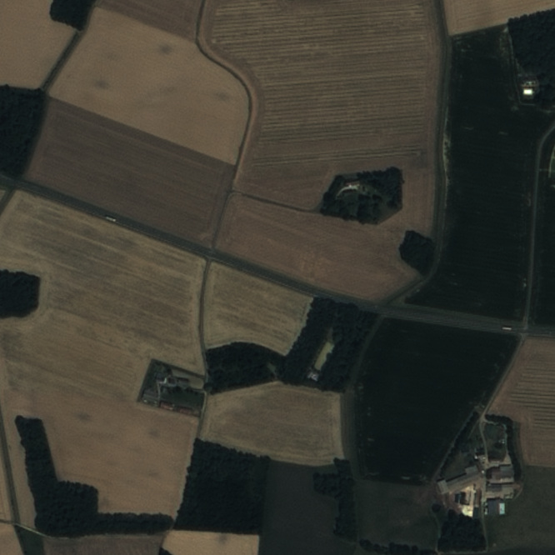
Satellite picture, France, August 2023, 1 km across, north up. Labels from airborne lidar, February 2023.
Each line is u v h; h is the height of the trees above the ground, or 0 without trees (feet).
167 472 0
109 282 0
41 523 37
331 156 0
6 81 0
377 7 0
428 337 0
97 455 0
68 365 0
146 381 0
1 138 54
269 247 0
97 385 0
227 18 0
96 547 0
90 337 0
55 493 42
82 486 20
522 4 0
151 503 0
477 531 31
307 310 0
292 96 0
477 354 0
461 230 0
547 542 0
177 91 0
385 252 0
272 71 0
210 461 36
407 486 0
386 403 0
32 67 0
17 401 0
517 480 28
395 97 0
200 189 0
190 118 0
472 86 0
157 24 0
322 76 0
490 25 0
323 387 40
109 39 0
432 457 0
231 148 0
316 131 0
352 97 0
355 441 0
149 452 0
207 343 0
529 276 0
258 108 0
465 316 0
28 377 0
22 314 50
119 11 0
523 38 63
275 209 0
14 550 0
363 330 63
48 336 0
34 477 41
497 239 0
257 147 0
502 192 0
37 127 35
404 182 43
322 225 0
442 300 0
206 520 29
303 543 0
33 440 53
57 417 0
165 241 0
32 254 0
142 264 0
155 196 0
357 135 0
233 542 0
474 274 0
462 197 0
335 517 0
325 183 0
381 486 0
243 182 0
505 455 0
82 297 0
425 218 0
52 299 0
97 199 0
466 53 0
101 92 0
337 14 0
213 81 0
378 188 43
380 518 0
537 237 0
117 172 0
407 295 0
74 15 39
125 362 0
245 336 0
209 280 0
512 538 0
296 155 0
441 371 0
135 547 0
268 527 0
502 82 0
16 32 0
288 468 0
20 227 0
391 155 0
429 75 0
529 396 0
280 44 0
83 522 46
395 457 0
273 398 0
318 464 0
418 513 0
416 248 62
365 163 0
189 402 0
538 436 0
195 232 0
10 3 0
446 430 0
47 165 0
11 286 53
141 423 0
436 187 0
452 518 60
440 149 0
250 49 0
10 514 0
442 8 0
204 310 0
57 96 0
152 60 0
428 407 0
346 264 0
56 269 0
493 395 0
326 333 58
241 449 0
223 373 23
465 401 0
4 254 0
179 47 0
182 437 0
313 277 0
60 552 0
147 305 0
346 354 62
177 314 0
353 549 0
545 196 0
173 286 0
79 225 0
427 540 0
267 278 0
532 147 0
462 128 0
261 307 0
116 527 52
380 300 0
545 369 0
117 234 0
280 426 0
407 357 0
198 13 0
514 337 0
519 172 0
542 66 75
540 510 0
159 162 0
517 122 0
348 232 0
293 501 0
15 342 0
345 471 37
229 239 0
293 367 53
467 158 0
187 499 41
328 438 0
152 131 0
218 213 0
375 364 0
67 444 0
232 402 0
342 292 0
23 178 0
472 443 20
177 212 0
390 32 0
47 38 0
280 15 0
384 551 34
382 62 0
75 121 0
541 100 55
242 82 0
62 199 0
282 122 0
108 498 0
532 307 0
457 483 0
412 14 0
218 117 0
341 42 0
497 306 0
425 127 0
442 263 0
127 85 0
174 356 0
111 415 0
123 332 0
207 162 0
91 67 0
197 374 0
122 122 0
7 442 0
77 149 0
